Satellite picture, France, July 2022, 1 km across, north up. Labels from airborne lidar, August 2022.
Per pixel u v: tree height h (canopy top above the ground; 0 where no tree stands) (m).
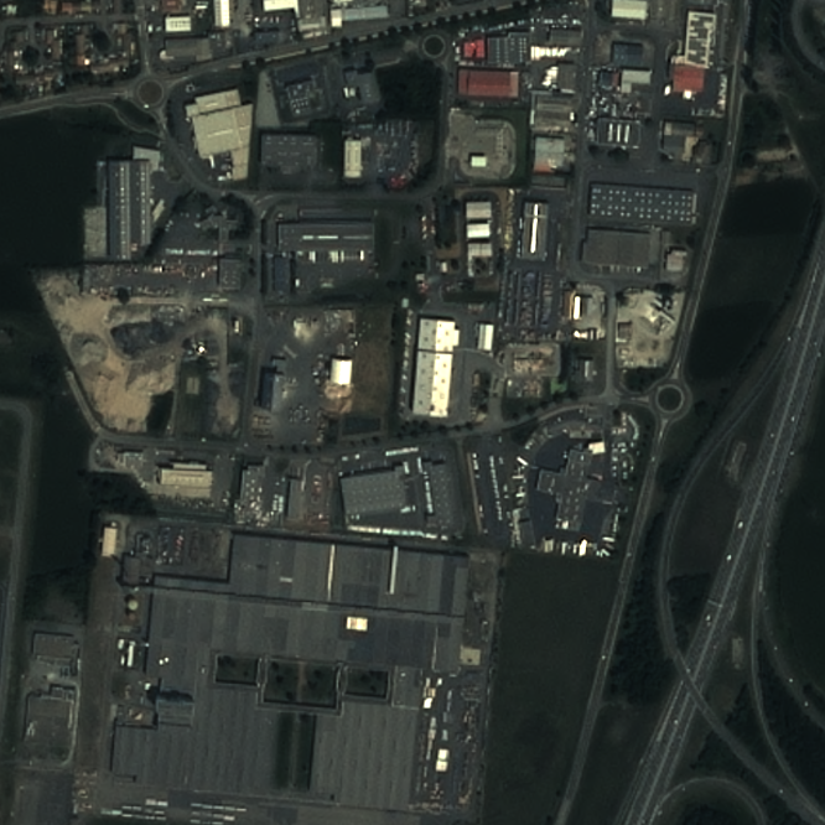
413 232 0
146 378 0
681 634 6
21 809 0
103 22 0
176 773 0
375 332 0
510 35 0
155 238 8
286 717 0
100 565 0
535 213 0
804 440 0
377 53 0
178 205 9
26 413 0
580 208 0
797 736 11
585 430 0
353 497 0
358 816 0
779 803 12
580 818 0
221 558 0
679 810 0
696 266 0
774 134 0
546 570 0
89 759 0
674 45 0
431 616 0
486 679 0
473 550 0
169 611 0
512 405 0
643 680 17
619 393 0
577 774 0
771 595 0
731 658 0
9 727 0
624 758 0
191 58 0
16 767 0
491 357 0
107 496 9
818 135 0
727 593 0
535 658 0
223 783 0
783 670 0
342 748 0
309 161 0
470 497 0
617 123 0
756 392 0
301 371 0
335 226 0
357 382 0
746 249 0
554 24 0
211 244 0
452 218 0
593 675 0
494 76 0
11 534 0
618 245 0
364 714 0
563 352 0
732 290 0
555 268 0
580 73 0
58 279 0
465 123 0
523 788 0
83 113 0
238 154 0
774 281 0
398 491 0
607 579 0
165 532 0
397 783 0
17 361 0
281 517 0
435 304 0
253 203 0
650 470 0
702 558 0
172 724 0
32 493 0
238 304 0
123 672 0
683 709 0
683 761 0
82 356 0
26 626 0
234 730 0
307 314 0
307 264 0
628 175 0
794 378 0
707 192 0
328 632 0
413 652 0
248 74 0
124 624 0
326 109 0
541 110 0
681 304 0
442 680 0
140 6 0
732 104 0
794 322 0
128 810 0
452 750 0
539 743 0
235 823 0
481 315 0
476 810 0
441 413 0
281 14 0
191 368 0
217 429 0
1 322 0
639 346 0
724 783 0
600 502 0
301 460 0
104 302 0
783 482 0
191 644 0
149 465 0
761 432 0
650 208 0
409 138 0
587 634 0
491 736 0
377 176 0
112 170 0
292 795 0
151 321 0
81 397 0
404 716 0
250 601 0
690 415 0
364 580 0
